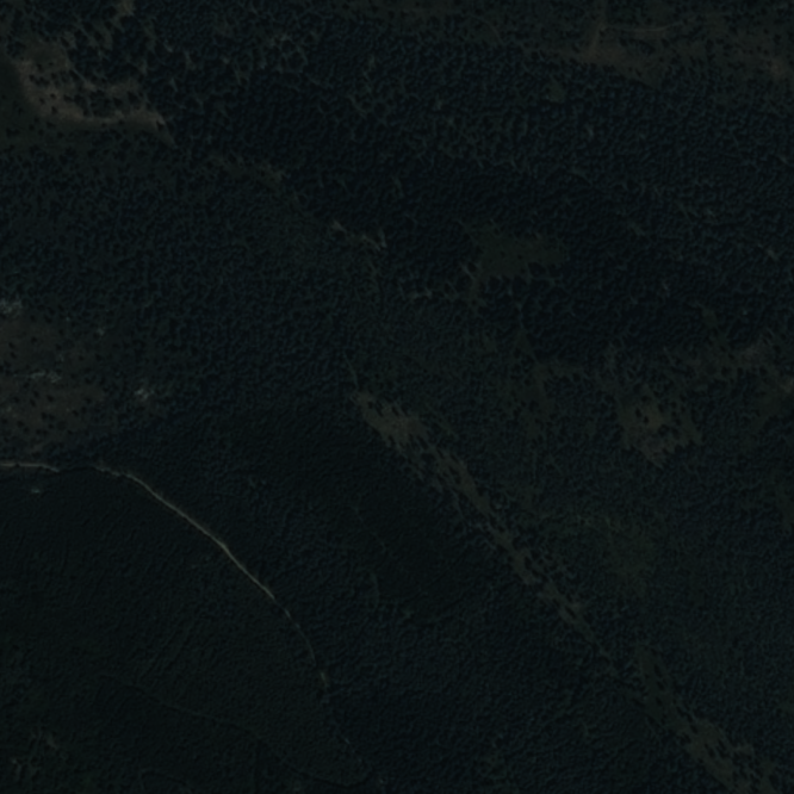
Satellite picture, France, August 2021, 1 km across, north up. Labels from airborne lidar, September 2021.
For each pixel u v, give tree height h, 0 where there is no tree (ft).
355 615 62
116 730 30
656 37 0
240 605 37
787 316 56
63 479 27
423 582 41
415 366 38
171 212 23
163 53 70
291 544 73
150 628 33
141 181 40
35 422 0
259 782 35
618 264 49
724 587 34
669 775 67
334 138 72
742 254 58
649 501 29
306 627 62
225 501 55
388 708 70
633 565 20
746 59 0
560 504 38
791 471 44
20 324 0
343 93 67
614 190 75
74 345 0
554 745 71
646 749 36
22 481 24
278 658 50
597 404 34
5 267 30
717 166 78
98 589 38
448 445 49
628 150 59
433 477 77
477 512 62
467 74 35
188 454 53
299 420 41
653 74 0
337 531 42
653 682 0
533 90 56
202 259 60
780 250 80
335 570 74
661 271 74
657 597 30
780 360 26
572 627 25
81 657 49
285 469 35
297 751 52
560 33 23
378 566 43
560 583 46
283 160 82
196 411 67
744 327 77
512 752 32
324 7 42
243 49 65
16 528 31
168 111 73
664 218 63
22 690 29
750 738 48
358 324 22
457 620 47
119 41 65
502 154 50
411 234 70
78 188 40
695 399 46
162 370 31
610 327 81
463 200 69
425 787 77
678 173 69
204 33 70
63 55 0
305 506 42
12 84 0
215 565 33
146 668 40
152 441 57
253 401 60
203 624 34
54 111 31
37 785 42
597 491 32
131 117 0
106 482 38
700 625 47
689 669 42
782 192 70
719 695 47
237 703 43
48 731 40
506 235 45
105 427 0
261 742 27
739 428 38
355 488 42
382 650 66
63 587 37
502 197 74
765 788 0
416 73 66
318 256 31
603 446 56
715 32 0
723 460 50
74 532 33
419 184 92
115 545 30
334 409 45
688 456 54
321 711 43
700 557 35
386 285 47
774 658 47
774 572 43
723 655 32
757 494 37
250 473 56
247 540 54
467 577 57
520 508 36
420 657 70
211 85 70
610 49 0
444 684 68
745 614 34
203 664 46
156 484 53
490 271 0
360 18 50
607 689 31
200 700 42
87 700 41
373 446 42
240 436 35
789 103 20
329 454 41
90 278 31
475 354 35
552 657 72
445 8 0
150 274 31
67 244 45
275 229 39
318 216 75
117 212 45
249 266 24
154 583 29
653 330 78
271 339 75
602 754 44
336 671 75
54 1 61
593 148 74
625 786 31
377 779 74
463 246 74
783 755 46
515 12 24
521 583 41
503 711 58
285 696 41
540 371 0
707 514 51
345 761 40
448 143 33
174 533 31
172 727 34
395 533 44
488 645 73
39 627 27
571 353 74
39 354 0
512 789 25
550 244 25
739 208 71
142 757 33
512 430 38
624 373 52
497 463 39
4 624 35
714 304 70
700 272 61
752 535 37
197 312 58
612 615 68
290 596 47
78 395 0
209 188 42
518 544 45
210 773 35
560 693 52
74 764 42
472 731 59
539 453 23
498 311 78
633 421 0
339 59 68
